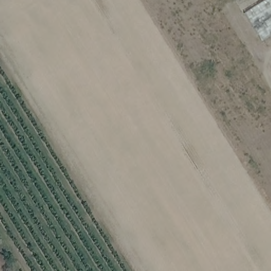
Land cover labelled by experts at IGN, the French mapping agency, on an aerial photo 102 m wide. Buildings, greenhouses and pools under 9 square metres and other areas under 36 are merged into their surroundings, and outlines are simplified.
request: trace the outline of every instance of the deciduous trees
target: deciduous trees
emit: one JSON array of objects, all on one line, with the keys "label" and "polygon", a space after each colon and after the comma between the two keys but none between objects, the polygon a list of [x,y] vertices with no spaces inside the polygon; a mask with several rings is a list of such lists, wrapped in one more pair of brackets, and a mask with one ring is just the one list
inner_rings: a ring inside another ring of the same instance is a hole
[{"label": "deciduous trees", "polygon": [[22,271],[11,251],[2,249],[0,253],[0,271]]},{"label": "deciduous trees", "polygon": [[26,107],[20,88],[11,83],[2,69],[3,61],[0,58],[0,219],[7,235],[14,241],[31,271],[129,271],[119,253],[111,245],[109,235],[94,218],[87,201],[80,195],[67,168],[44,135],[42,124],[37,123],[31,110]]}]

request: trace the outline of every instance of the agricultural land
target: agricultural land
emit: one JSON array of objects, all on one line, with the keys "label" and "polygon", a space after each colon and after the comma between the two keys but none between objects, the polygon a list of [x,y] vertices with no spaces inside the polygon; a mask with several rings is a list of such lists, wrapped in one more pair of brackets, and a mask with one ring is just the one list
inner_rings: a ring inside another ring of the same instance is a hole
[{"label": "agricultural land", "polygon": [[67,168],[80,195],[87,201],[94,218],[109,235],[111,245],[119,253],[129,271],[271,271],[271,89],[263,72],[254,64],[246,44],[238,37],[230,20],[222,11],[225,4],[234,0],[0,0],[0,58],[3,61],[2,69],[11,83],[20,88],[26,107],[31,110],[37,123],[42,124],[44,135]]}]

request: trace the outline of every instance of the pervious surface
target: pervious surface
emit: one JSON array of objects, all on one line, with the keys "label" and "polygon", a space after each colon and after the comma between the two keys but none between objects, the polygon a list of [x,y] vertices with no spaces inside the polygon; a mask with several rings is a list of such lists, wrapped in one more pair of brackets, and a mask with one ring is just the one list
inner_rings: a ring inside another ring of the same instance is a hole
[{"label": "pervious surface", "polygon": [[247,14],[251,8],[265,0],[234,0],[225,4],[222,11],[230,20],[238,37],[246,44],[254,64],[263,72],[271,89],[271,38],[259,35],[259,29],[254,29],[254,22],[251,22]]}]

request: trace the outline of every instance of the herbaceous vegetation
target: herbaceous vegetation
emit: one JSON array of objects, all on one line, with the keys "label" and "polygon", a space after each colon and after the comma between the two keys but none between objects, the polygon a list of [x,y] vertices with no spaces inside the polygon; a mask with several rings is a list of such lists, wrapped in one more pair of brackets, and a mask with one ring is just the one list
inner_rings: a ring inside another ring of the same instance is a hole
[{"label": "herbaceous vegetation", "polygon": [[14,241],[7,235],[0,219],[0,253],[2,249],[11,251],[22,271],[31,271]]}]

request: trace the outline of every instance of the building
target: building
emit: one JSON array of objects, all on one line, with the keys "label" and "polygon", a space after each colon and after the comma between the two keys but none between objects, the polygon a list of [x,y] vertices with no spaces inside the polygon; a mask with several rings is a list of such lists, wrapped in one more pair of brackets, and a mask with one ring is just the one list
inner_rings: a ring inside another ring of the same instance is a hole
[{"label": "building", "polygon": [[251,8],[247,14],[251,22],[254,22],[254,29],[259,29],[259,35],[271,38],[271,0],[265,0]]}]

